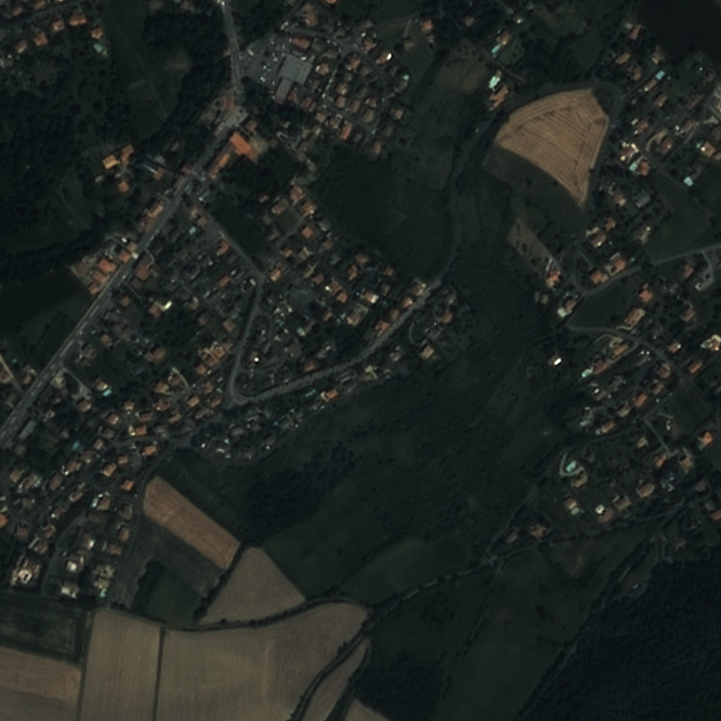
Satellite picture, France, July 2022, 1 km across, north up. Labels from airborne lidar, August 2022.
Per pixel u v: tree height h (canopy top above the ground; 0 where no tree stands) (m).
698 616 17
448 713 0
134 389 9
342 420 0
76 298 0
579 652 11
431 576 0
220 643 0
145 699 0
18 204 9
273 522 12
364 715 0
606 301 0
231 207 9
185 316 12
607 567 0
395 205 8
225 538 0
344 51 0
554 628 0
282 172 0
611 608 13
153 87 0
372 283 6
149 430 8
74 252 16
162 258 9
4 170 20
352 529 0
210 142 15
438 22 12
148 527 0
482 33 12
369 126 0
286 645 0
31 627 0
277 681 0
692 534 10
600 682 11
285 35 8
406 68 5
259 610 0
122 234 0
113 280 0
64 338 0
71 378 11
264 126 10
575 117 0
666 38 0
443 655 7
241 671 0
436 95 0
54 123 12
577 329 0
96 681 0
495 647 0
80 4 6
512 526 9
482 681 0
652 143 0
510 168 0
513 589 0
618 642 11
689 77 0
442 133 0
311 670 0
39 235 0
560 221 0
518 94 10
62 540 0
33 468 8
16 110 17
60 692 0
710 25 0
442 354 7
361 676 6
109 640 0
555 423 9
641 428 11
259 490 14
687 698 16
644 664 14
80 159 8
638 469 13
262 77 0
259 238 9
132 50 0
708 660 14
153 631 0
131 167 9
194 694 0
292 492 15
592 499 0
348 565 0
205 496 0
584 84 0
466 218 0
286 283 0
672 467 9
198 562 0
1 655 0
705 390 14
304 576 0
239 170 8
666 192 0
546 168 0
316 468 12
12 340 0
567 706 16
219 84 21
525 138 0
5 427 0
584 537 8
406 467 0
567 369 6
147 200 0
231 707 0
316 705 0
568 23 0
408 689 10
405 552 0
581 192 0
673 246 0
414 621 0
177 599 0
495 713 0
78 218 0
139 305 8
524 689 0
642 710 11
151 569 6
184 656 0
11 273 29
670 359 9
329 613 0
